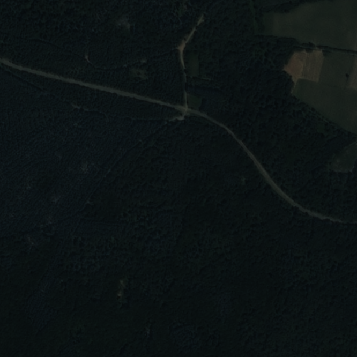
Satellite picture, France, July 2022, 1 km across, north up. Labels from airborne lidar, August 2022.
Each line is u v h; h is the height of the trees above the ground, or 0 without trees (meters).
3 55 10
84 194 20
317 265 23
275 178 7
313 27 0
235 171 22
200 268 9
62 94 11
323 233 9
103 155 20
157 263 17
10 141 19
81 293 19
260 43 15
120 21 8
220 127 10
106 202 21
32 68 9
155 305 25
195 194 18
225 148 21
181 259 12
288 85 21
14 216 20
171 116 14
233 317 24
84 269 18
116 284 23
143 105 15
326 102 0
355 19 0
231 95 13
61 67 9
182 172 21
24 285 24
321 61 0
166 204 21
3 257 27
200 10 14
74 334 9
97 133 20
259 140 10
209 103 21
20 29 15
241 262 18
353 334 11
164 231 9
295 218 25
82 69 9
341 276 21
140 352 26
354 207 13
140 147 20
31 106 18
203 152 21
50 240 22
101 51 16
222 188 21
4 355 26
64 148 19
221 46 17
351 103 0
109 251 23
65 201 16
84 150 18
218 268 12
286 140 12
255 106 22
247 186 21
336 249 24
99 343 24
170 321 24
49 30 21
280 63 20
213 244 20
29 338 29
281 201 22
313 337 18
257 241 22
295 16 0
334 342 22
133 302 27
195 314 25
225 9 18
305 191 18
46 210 18
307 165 15
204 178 18
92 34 19
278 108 26
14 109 19
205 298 26
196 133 22
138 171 10
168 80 16
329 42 0
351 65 0
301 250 10
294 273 11
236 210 20
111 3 17
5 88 18
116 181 17
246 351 23
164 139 20
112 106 14
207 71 8
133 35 17
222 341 22
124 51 12
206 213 21
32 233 25
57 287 21
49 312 22
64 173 17
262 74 24
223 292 22
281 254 13
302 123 9
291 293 25
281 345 20
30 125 17
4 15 16
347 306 23
